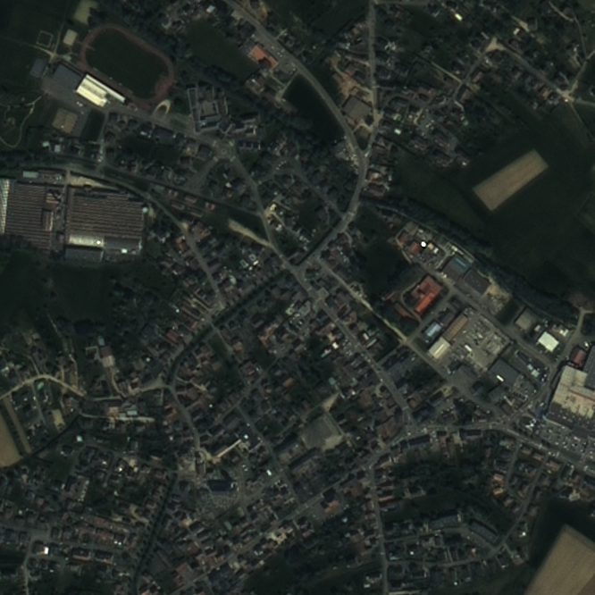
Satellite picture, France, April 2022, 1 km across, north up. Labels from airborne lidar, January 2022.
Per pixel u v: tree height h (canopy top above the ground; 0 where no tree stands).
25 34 0
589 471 0
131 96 0
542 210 0
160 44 17
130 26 16
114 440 0
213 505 0
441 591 0
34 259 0
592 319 17
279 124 20
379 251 0
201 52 0
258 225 0
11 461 0
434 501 0
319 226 0
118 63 0
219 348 0
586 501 0
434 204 0
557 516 0
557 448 0
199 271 12
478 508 12
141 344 0
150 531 10
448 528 0
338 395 0
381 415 0
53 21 0
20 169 11
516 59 0
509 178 0
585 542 0
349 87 0
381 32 0
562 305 14
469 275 0
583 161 0
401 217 7
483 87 12
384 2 0
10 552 0
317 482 0
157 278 0
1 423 0
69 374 0
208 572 0
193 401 0
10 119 0
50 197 0
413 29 0
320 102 0
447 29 9
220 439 11
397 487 10
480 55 0
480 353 0
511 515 0
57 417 0
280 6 0
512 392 0
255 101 19
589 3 0
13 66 0
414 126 0
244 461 0
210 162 0
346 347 0
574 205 0
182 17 0
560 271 0
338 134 0
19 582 0
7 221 0
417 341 0
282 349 0
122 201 0
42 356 0
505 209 0
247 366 0
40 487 0
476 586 0
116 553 0
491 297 0
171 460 8
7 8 0
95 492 0
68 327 18
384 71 0
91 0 0
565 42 0
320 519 0
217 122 0
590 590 0
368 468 0
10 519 6
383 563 0
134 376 0
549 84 0
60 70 0
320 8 0
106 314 0
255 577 0
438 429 0
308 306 0
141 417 0
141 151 0
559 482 0
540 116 0
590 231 0
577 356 0
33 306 0
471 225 0
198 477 0
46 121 0
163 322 0
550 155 0
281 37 0
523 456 0
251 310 0
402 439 0
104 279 0
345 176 18
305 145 18
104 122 0
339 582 0
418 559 0
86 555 0
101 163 0
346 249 15
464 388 0
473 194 0
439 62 0
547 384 0
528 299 21
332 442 0
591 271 0
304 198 9
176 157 0
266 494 7
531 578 0
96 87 0
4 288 0
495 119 13
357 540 0
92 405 13
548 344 0
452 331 0
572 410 0
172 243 10
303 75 0
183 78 7
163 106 0
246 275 0
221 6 22
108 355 0
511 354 0
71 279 0
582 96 0
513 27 16
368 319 0
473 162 0
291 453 6
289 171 0
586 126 8
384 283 0
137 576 0
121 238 0
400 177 0
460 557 8
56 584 0
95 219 0
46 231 0
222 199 0
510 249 0
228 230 0
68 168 0
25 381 0
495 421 0
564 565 0
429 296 0
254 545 0
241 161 0
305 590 13
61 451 0
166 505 9
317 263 0
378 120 0
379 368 0
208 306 0
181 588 0
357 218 0
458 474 0
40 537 0
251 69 0
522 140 0
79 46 0
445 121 6
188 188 0
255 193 0
